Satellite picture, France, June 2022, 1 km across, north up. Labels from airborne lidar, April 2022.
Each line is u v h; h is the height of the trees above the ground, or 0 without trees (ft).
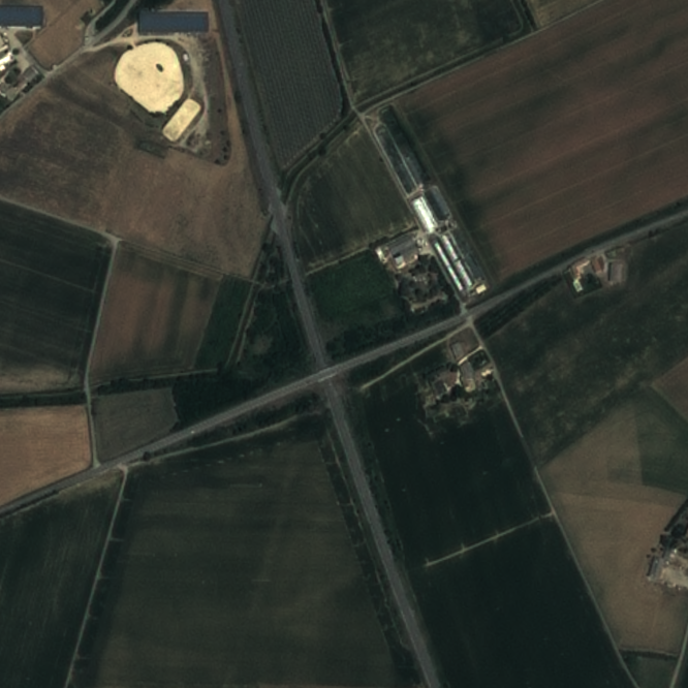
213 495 0
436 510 0
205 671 0
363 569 0
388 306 0
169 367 0
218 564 0
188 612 0
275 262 40
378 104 0
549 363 0
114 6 20
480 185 0
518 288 0
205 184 0
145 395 0
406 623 0
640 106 0
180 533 0
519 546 0
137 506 0
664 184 0
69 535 0
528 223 0
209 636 0
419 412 0
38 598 0
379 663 0
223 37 0
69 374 0
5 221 0
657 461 0
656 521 0
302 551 0
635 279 0
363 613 0
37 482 0
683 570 0
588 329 0
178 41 0
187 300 0
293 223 0
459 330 0
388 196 0
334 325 0
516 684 0
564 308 0
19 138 0
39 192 0
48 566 0
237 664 0
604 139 0
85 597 0
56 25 0
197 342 0
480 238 0
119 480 0
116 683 0
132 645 0
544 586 0
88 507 0
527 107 0
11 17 0
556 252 0
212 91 0
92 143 0
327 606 0
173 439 0
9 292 0
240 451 0
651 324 0
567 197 0
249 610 0
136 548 0
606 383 0
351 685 0
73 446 0
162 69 0
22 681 0
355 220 0
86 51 0
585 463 0
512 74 0
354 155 0
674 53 0
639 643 0
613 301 0
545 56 0
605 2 0
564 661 0
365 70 0
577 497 0
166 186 0
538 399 0
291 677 0
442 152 0
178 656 0
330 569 0
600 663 0
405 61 0
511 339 0
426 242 0
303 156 0
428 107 0
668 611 0
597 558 0
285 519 0
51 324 0
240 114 0
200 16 0
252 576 0
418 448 0
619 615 0
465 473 0
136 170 0
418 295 35
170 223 0
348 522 0
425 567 0
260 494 0
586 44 0
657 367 0
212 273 0
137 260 0
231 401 25
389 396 0
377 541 0
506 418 0
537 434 0
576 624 0
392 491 0
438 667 0
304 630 0
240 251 0
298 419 0
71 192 0
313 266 0
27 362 0
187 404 29
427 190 0
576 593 0
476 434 0
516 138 0
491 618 0
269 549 0
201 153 0
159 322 0
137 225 0
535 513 0
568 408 0
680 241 0
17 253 0
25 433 0
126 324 0
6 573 0
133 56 0
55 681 0
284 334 25
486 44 0
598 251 0
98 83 0
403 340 0
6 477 0
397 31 0
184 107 0
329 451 0
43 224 0
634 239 0
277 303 25
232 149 0
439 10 0
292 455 0
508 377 0
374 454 0
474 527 0
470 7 0
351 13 0
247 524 0
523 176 0
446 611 0
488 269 0
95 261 0
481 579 0
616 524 0
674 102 0
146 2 20
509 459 0
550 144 0
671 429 0
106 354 0
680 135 0
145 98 0
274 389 0
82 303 0
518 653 0
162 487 0
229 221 0
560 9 0
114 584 0
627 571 0
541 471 0
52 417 0
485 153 0
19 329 0
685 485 0
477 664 0
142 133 0
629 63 0
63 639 0
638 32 0
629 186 0
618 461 0
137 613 0
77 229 0
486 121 0
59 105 0
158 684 0
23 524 0
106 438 0
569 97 0
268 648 0
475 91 0
